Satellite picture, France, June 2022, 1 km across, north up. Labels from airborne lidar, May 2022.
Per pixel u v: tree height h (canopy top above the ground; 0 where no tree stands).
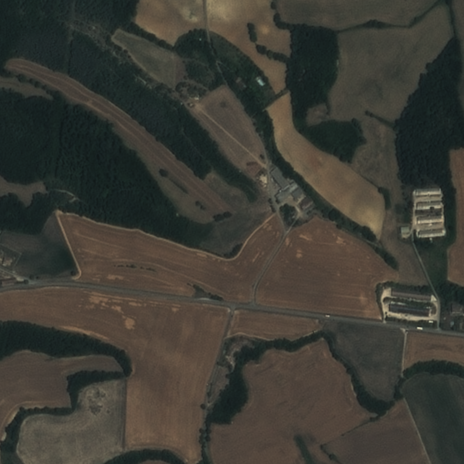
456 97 17
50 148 20
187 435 0
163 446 0
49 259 0
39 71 0
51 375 0
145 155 0
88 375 17
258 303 0
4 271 0
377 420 7
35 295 0
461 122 18
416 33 0
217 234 0
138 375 0
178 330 0
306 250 0
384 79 0
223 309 0
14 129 17
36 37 14
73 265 0
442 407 0
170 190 0
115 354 12
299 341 11
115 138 18
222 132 0
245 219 0
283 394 0
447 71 21
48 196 9
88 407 0
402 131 10
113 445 0
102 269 0
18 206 19
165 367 0
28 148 12
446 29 0
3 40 15
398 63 0
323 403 0
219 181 0
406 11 0
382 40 0
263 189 0
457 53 18
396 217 0
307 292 0
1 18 15
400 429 0
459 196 0
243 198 0
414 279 0
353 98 0
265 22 0
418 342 0
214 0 0
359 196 0
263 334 0
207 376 0
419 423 0
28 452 0
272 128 10
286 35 0
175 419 0
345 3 0
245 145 0
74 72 12
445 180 15
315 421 0
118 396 0
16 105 16
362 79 0
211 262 0
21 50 12
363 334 0
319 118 0
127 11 17
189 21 0
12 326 11
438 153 16
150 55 0
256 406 0
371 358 0
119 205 9
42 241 0
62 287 0
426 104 14
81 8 7
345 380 0
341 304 0
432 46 0
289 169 13
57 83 0
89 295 0
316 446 0
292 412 0
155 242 0
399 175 7
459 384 0
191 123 7
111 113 0
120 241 0
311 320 0
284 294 0
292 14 0
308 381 0
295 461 0
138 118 12
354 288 0
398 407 0
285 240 0
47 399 0
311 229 0
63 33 13
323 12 0
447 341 0
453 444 0
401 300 11
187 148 6
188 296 0
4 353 16
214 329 0
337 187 0
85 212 14
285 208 10
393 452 0
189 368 0
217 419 16
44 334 14
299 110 15
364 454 0
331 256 0
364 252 0
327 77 10
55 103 18
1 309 0
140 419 0
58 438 0
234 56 6
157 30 0
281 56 16
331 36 17
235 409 18
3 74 15
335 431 0
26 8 11
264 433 0
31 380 0
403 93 0
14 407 0
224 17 0
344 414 0
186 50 6
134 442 0
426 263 0
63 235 0
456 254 0
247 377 0
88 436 0
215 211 0
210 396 9
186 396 0
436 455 0
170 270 0
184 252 0
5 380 0
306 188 10
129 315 0
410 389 0
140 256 0
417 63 0
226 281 0
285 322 0
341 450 0
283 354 0
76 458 0
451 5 11
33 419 0
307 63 17
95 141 16
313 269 0
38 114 25
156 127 13
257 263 0
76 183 13
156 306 0
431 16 0
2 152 13
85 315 0
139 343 0
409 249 0
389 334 0
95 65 13
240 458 0
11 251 0
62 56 11
